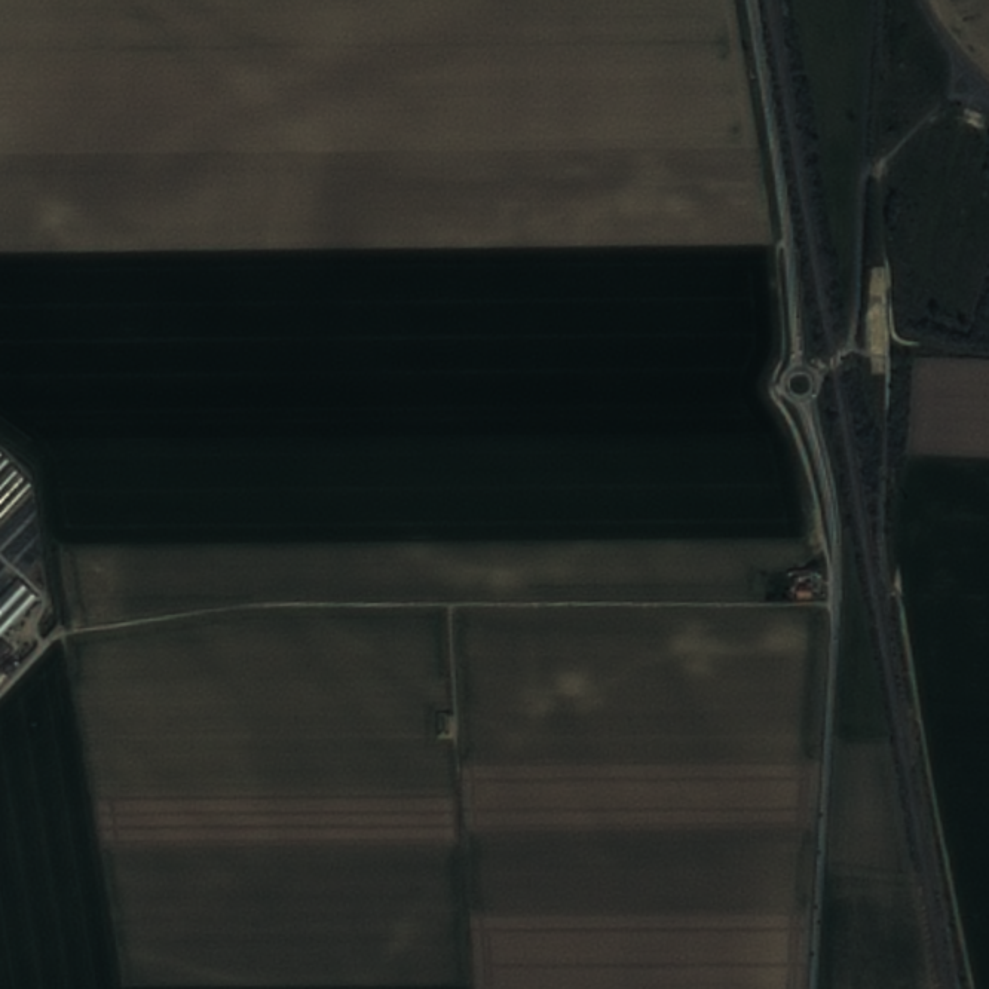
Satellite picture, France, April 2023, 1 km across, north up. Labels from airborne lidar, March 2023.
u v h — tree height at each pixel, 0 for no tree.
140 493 0
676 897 0
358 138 0
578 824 0
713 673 0
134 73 0
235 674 0
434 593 0
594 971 0
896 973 0
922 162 0
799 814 0
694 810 0
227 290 0
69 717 0
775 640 0
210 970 0
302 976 0
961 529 0
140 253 0
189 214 0
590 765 0
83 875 0
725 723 0
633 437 0
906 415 6
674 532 0
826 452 0
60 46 0
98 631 0
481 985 0
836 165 0
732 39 0
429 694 0
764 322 0
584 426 0
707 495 0
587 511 0
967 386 0
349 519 0
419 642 0
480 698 0
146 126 0
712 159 0
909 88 0
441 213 0
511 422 0
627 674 0
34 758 0
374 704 0
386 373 0
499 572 0
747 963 0
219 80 0
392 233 0
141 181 0
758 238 0
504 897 0
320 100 0
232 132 0
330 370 0
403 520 0
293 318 0
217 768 0
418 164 0
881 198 0
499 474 0
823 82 0
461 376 0
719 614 0
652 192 0
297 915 0
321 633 0
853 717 0
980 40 0
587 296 0
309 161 0
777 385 0
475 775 0
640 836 0
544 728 0
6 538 0
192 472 0
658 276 0
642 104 0
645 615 0
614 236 0
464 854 0
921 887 0
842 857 0
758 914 0
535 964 0
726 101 0
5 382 0
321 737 0
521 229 0
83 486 0
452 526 0
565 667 0
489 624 0
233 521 0
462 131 0
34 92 0
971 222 0
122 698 0
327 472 0
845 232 0
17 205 0
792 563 0
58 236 0
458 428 0
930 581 0
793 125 0
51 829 0
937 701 0
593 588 0
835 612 0
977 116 0
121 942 0
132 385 0
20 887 0
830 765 0
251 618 0
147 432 0
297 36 0
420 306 0
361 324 0
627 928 0
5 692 0
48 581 0
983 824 0
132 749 0
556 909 0
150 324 0
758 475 0
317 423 0
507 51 0
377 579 0
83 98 0
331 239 0
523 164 0
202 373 0
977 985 0
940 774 0
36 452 0
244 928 0
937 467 0
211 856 0
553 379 0
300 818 0
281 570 0
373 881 0
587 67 0
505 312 0
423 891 0
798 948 0
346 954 0
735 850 0
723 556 0
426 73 0
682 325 0
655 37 0
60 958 0
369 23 0
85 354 0
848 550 0
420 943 0
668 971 0
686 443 0
